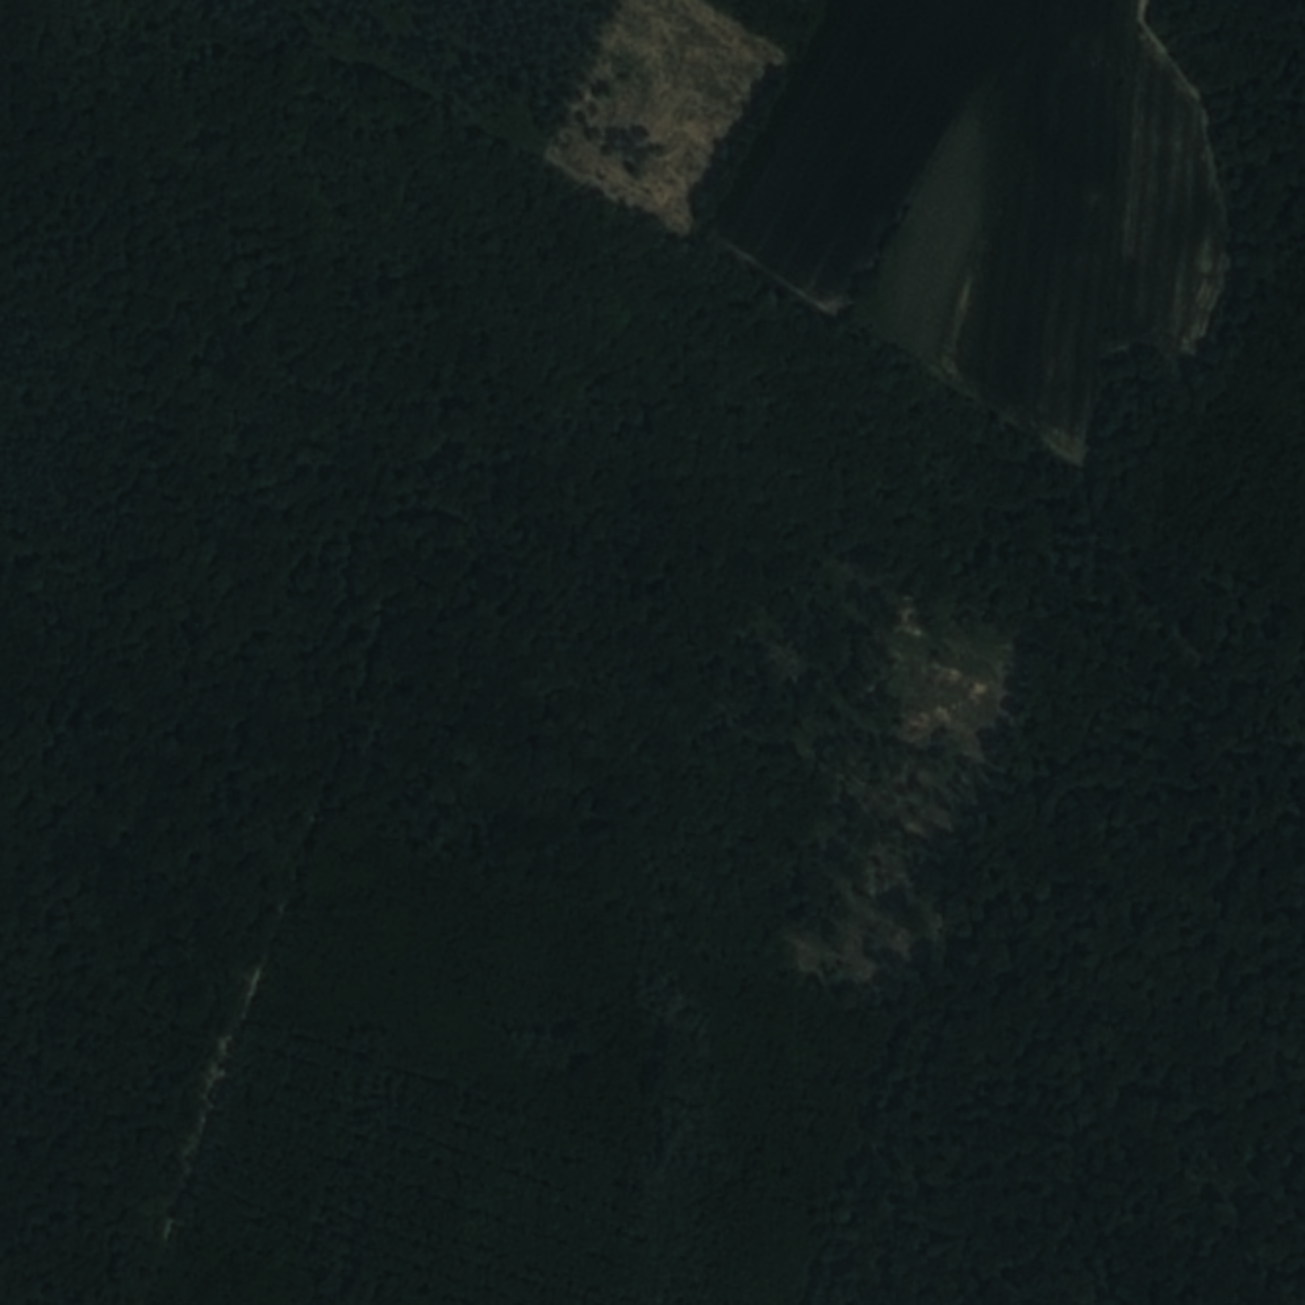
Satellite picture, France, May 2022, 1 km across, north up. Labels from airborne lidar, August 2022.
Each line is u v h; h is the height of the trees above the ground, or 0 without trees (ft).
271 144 88
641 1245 75
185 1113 68
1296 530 44
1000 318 0
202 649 90
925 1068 95
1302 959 98
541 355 89
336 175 59
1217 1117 99
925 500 92
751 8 90
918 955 0
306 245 80
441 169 69
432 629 91
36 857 84
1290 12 97
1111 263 0
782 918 80
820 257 0
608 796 93
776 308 79
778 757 92
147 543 85
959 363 0
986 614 62
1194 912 109
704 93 0
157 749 102
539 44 105
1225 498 41
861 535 83
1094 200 0
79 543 53
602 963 34
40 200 95
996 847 110
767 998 40
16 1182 99
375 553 95
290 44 94
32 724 86
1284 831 89
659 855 76
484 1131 58
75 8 71
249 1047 55
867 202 0
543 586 66
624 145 104
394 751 105
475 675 96
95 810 98
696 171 0
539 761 105
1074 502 90
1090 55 0
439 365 98
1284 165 83
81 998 51
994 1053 106
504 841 100
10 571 86
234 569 90
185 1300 26
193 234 86
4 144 82
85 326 90
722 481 94
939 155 0
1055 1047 105
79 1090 73
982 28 0
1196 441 35
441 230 87
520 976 23
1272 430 19
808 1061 20
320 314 77
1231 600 99
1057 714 94
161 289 86
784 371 76
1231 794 106
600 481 96
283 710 93
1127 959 118
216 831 75
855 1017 29
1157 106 0
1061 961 91
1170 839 100
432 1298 51
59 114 94
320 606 95
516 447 101
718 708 80
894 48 0
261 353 77
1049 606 86
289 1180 62
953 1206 102
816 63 0
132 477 76
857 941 0
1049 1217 103
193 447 80
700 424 79
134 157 75
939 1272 103
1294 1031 105
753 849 83
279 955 28
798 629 95
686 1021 76
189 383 76
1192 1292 93
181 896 98
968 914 92
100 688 95
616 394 76
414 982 35
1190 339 0
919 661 0
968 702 0
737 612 86
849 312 33
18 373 71
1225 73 85
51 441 80
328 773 83
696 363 82
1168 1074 97
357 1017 29
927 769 84
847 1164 41
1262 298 49
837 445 58
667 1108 78
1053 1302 102
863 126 0
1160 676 90
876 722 88
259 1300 24
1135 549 107
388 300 88
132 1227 89
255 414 87
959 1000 105
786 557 88
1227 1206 101
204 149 77
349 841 44
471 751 102
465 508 37
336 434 69
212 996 54
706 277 62
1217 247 0
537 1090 31
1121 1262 108
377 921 37
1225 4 91
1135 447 62
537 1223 59
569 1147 56
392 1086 63
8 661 92
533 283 80
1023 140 0
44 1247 95
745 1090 29
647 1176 76
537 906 30
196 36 73
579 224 82
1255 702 104
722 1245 48
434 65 106
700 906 81
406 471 93
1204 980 107
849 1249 78
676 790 88
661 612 89
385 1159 57
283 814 89
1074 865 115
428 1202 65
